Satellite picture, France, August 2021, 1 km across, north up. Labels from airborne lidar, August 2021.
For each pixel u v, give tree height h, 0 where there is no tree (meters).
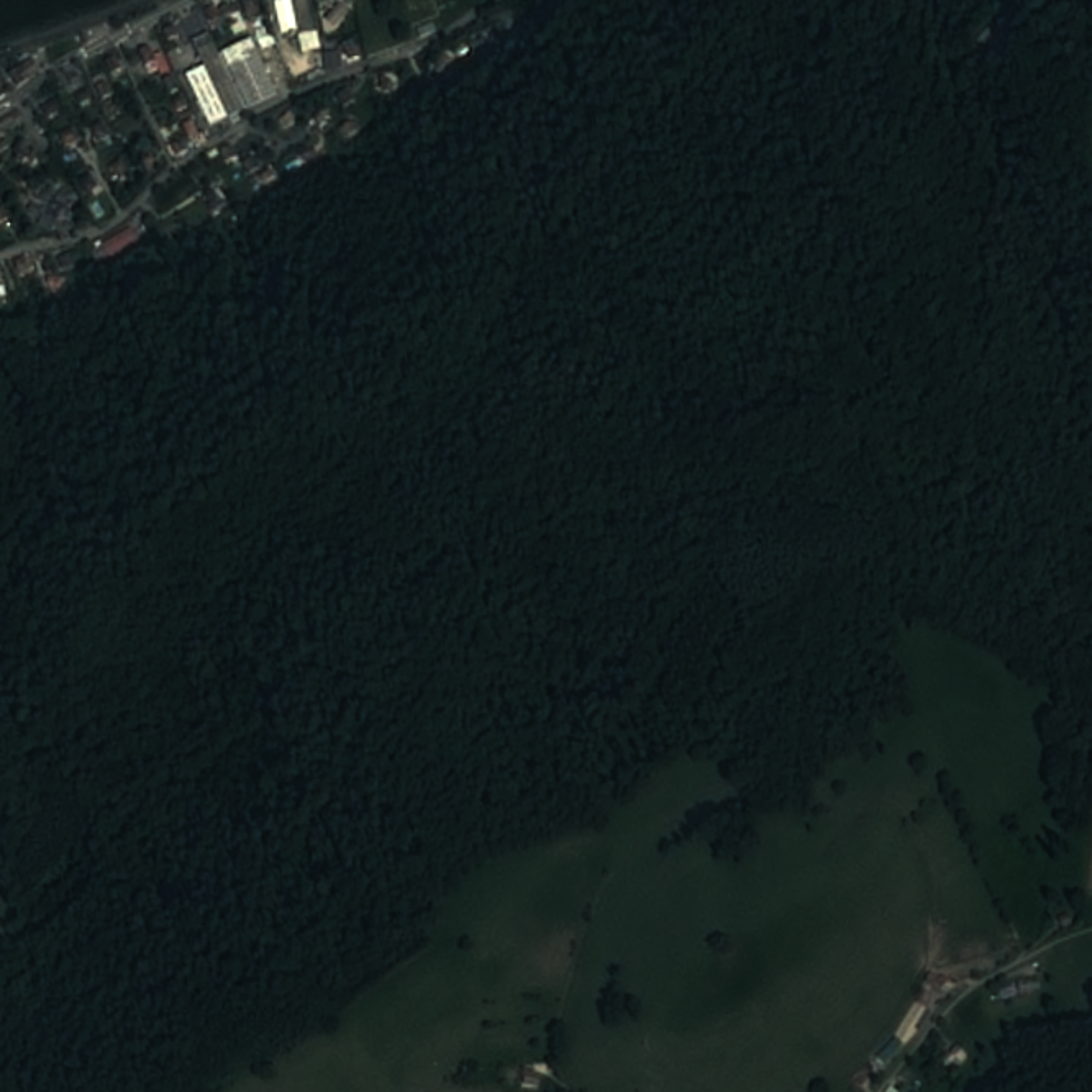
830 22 18
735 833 17
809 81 28
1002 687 0
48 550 26
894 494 24
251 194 0
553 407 22
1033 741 0
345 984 18
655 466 13
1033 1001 0
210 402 31
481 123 30
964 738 0
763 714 20
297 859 22
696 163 19
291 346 27
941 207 19
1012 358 20
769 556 26
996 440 16
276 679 11
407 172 16
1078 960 0
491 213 27
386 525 18
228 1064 14
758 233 21
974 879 0
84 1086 26
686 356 22
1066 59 20
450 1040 0
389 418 20
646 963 0
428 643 19
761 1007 0
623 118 30
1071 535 23
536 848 9
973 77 29
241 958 23
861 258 24
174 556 15
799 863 0
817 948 0
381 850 25
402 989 0
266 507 16
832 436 18
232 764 8
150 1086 19
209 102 0
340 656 21
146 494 24
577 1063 0
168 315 17
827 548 22
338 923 20
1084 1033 21
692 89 24
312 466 19
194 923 26
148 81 8
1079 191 24
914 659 0
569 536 19
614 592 23
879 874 0
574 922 0
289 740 19
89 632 19
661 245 22
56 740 14
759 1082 0
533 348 24
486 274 30
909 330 27
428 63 8
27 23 0
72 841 16
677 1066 0
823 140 19
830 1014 0
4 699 26
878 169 21
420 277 21
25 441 26
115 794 29
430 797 18
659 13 24
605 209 17
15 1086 22
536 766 22
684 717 10
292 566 22
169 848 18
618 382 22
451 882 15
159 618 17
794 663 20
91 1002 25
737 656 22
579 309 21
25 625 34
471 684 19
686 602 17
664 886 0
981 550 21
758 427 21
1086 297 26
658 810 0
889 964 0
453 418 25
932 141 28
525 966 0
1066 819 20
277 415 25
